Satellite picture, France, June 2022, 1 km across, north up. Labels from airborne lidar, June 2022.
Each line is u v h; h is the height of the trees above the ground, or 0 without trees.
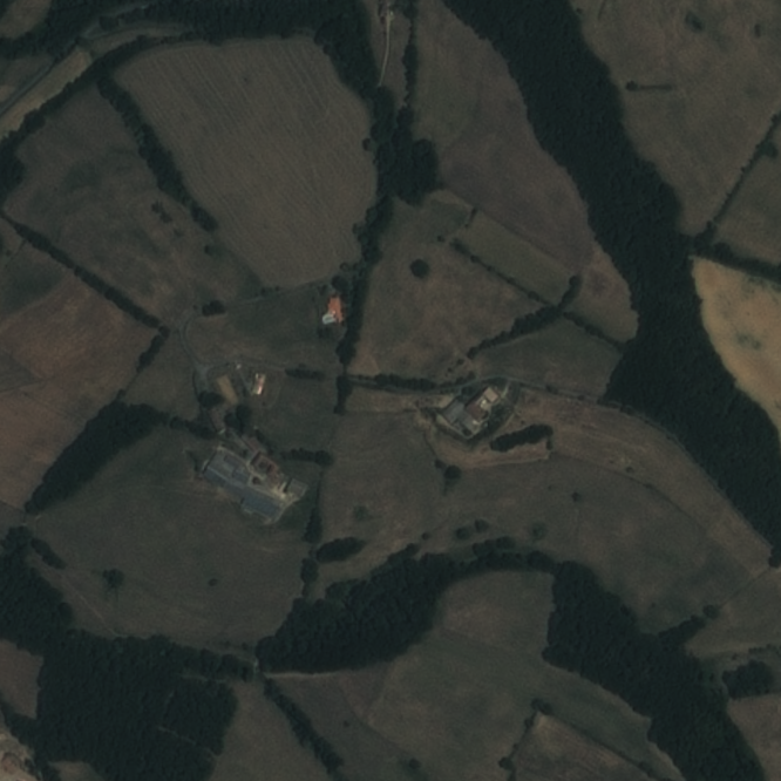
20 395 0
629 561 0
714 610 14
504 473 0
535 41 14
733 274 0
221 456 0
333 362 0
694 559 0
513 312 0
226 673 10
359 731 0
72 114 0
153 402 0
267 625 0
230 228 0
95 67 11
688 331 11
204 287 0
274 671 13
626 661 24
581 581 27
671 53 0
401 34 0
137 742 21
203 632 0
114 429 15
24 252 0
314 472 0
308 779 0
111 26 13
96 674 17
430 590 20
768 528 10
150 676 19
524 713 0
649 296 17
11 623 20
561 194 0
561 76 20
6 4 11
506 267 0
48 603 15
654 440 0
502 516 0
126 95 16
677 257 19
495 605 0
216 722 16
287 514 0
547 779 0
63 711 18
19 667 0
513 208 0
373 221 11
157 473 0
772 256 0
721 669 0
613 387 10
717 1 0
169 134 0
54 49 15
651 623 0
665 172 0
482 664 0
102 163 0
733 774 24
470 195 0
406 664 0
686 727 15
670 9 0
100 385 0
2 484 0
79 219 0
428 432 0
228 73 0
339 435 0
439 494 0
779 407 0
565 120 18
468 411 0
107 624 0
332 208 0
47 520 0
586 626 21
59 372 0
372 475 0
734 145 0
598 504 0
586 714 0
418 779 0
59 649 19
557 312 11
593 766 0
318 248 0
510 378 0
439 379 0
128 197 0
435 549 0
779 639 0
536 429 14
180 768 20
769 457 16
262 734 0
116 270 0
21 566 14
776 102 0
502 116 0
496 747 0
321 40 15
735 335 0
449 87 0
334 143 0
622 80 0
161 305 0
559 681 0
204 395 12
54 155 0
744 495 15
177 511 0
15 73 0
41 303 0
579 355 0
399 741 0
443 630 0
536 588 0
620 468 0
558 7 21
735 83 0
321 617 29
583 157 17
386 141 19
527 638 0
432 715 0
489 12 16
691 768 17
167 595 0
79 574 0
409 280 0
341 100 0
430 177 20
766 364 0
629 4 0
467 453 0
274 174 0
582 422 0
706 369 17
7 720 8
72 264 12
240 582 0
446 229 0
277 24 20
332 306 0
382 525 0
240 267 0
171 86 0
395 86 0
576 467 0
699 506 0
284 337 0
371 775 0
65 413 0
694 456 14
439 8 0
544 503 0
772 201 0
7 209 0
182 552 0
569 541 0
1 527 0
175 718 19
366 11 0
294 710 20
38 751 12
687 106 0
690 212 0
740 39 0
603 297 0
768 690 17
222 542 0
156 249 0
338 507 0
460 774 0
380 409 0
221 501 0
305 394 0
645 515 0
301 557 0
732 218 0
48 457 0
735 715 0
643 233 20
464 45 0
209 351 0
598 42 0
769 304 0
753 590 0
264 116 0
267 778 0
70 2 8
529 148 0
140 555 0
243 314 0
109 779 8
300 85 0
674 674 23
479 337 0
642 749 0
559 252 0
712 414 19
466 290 0
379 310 0
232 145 0
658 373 11
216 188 0
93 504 0
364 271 7
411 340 0
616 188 20
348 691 0
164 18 18
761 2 0
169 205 0
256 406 0
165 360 0
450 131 0
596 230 10
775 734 0
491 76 0
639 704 18
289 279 0
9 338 0
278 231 0
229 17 18
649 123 0
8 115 0
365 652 16
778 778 0
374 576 7
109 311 0
